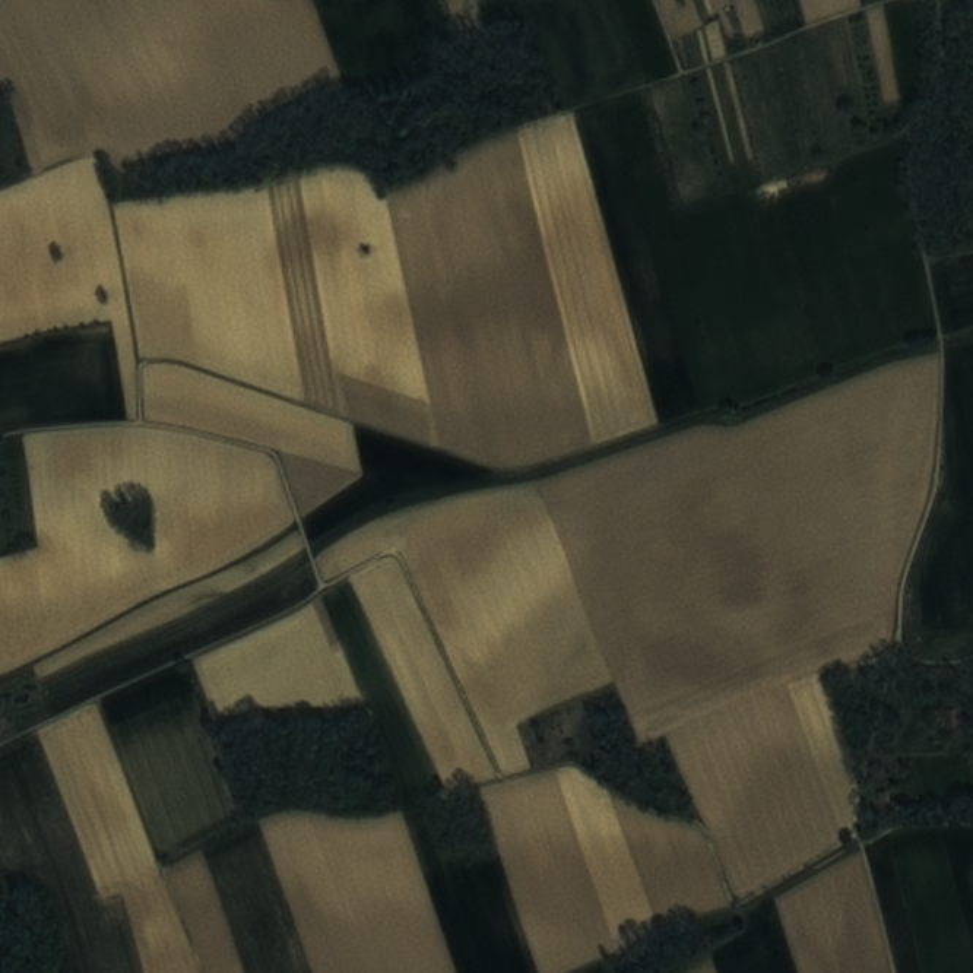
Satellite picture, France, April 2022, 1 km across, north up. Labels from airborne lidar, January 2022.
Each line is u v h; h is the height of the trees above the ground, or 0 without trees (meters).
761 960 0
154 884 0
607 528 0
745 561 0
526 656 0
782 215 0
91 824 0
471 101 25
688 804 25
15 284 0
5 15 0
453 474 0
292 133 27
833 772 0
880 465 0
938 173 22
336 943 0
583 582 0
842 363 0
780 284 0
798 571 0
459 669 0
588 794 0
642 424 0
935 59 25
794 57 0
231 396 0
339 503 0
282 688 0
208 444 0
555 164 0
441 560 0
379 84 0
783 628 0
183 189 20
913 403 0
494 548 0
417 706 0
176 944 0
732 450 0
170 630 0
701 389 0
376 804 21
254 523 0
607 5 0
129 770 0
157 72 0
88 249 0
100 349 0
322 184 0
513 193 0
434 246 0
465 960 0
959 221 23
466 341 0
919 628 0
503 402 0
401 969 0
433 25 0
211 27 0
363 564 0
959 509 0
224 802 0
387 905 0
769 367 0
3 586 0
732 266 0
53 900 14
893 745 17
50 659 0
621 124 0
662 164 0
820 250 0
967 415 0
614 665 0
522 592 0
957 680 23
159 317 0
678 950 40
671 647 0
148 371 0
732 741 0
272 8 0
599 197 0
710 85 0
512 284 0
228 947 0
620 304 0
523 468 0
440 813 21
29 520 0
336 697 0
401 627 0
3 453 0
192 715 0
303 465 0
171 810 0
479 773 0
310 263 0
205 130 0
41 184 0
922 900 0
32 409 0
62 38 0
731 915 0
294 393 0
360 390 0
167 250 0
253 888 0
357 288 0
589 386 0
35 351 0
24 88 0
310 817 0
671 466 0
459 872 0
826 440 0
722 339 0
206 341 0
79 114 0
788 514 0
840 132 0
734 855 0
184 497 0
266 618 0
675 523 0
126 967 0
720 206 0
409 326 0
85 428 0
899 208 0
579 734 0
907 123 22
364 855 0
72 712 0
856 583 0
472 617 0
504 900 0
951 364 0
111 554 0
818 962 0
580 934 0
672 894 0
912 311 0
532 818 0
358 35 0
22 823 0
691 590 0
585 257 0
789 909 0
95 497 0
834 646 0
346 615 0
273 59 0
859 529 0
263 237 0
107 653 0
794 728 0
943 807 21
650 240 0
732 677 0
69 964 23
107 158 14
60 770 0
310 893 0
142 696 0
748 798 0
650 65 0
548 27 0
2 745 0
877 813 17
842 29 0
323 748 24
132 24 0
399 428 0
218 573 0
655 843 0
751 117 0
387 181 20
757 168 0
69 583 0
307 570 0
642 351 0
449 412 0
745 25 0
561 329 0
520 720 0
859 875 0
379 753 22
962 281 0
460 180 0
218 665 0
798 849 0
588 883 0
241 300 0
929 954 0
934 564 0
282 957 0
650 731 0
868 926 0
